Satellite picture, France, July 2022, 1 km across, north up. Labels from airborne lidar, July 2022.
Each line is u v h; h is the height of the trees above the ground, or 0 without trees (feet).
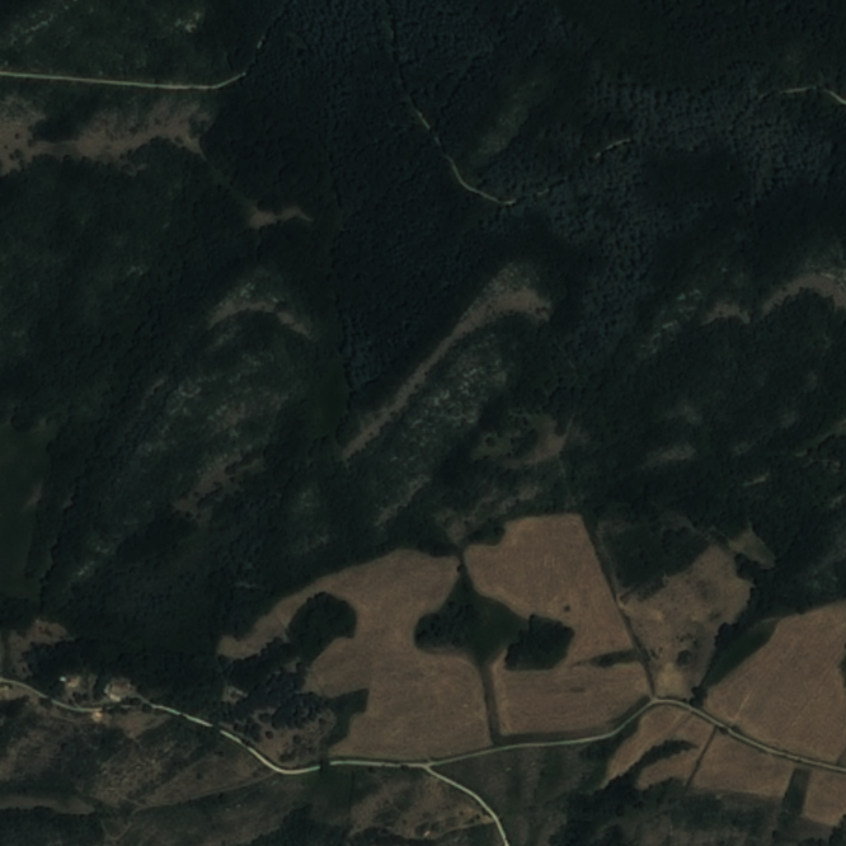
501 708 0
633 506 30
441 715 0
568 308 72
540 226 68
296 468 33
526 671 0
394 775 0
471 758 0
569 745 0
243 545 48
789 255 28
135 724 0
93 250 34
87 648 72
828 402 59
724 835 0
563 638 52
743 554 25
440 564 0
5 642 0
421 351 55
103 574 39
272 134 54
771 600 32
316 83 70
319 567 31
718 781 0
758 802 0
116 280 22
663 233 80
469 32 71
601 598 0
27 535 0
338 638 0
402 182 45
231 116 56
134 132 26
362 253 66
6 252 23
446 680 0
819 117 48
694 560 0
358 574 0
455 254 60
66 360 67
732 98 33
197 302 56
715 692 0
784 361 20
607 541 0
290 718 37
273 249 52
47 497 23
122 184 27
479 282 43
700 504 51
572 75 54
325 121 74
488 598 0
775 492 25
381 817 0
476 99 72
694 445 25
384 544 26
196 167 48
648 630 0
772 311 20
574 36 71
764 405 36
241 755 0
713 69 20
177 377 28
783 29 31
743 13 72
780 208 73
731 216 73
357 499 25
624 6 21
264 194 43
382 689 0
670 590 0
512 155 67
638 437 30
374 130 63
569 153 76
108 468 50
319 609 33
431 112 53
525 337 43
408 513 31
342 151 102
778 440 39
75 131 19
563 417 31
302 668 31
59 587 23
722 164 72
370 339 58
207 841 0
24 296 21
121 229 29
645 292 64
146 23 20
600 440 31
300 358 24
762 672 0
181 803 22
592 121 57
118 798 0
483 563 0
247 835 0
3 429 0
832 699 0
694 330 41
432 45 73
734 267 27
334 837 21
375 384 65
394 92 80
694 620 0
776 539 44
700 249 22
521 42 60
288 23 91
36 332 38
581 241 85
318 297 74
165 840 0
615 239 69
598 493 18
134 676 58
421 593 0
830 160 67
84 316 27
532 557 0
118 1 18
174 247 56
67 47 21
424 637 47
